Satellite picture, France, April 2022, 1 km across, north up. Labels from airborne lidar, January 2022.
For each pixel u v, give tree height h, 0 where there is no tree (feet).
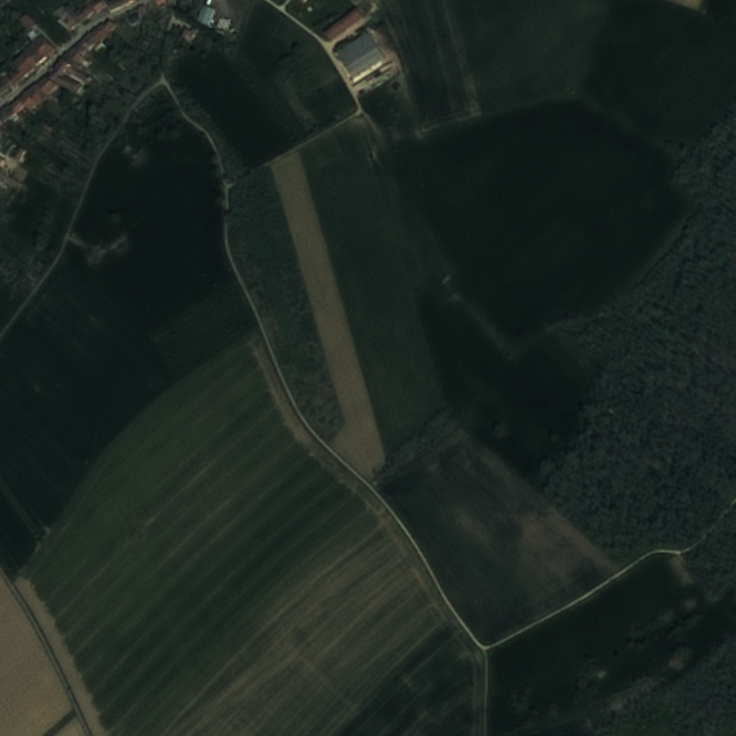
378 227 0
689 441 73
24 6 0
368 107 0
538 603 0
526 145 0
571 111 0
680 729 27
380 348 0
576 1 0
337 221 0
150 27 0
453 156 0
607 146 0
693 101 0
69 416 0
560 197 0
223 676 0
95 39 0
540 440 0
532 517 0
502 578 0
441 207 0
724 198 61
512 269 0
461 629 0
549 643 0
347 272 0
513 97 0
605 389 47
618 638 0
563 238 0
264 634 0
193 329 0
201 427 0
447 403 0
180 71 0
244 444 0
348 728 0
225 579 0
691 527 75
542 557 0
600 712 0
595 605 0
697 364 81
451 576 0
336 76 0
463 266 0
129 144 0
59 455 0
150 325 0
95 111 67
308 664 0
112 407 0
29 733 0
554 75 0
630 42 0
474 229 0
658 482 63
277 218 20
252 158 0
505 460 0
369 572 0
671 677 0
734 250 87
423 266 0
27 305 0
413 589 0
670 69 0
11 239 0
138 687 0
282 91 0
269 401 0
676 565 0
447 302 0
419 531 0
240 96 0
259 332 0
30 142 20
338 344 0
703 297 83
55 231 0
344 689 0
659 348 82
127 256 0
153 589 0
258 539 0
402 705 0
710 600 0
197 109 38
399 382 0
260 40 0
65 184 69
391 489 0
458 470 0
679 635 43
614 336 34
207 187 0
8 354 0
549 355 0
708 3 0
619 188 0
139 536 0
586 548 0
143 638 0
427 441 48
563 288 0
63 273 0
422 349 0
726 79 0
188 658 0
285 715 0
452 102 0
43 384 0
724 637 0
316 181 0
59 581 0
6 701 0
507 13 0
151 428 0
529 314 0
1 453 0
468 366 0
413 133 0
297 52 29
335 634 0
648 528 57
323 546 0
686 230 27
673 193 0
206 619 0
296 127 0
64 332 0
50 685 0
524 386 0
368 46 0
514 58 0
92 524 0
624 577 0
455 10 0
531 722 46
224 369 0
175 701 0
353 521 0
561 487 55
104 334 0
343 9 0
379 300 0
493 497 0
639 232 0
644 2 0
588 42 0
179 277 0
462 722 0
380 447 0
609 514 66
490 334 0
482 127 0
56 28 0
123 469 0
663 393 63
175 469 0
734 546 35
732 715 68
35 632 0
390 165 0
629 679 0
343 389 0
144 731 0
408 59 0
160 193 0
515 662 0
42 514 0
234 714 0
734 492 68
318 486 0
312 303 0
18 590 0
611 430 32
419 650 0
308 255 0
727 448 85
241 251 0
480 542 0
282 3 0
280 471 0
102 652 0
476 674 0
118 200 0
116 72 0
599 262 0
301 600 0
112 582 0
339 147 0
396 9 0
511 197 0
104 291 0
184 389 0
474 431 0
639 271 0
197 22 42
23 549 0
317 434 0
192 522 0
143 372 0
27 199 31
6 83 0
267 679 0
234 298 0
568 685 0
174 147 0
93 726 0
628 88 0
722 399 89
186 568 0
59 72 0
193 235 0
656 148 0
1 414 0
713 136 42
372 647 0
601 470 70
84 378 0
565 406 0
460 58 0
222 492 0
